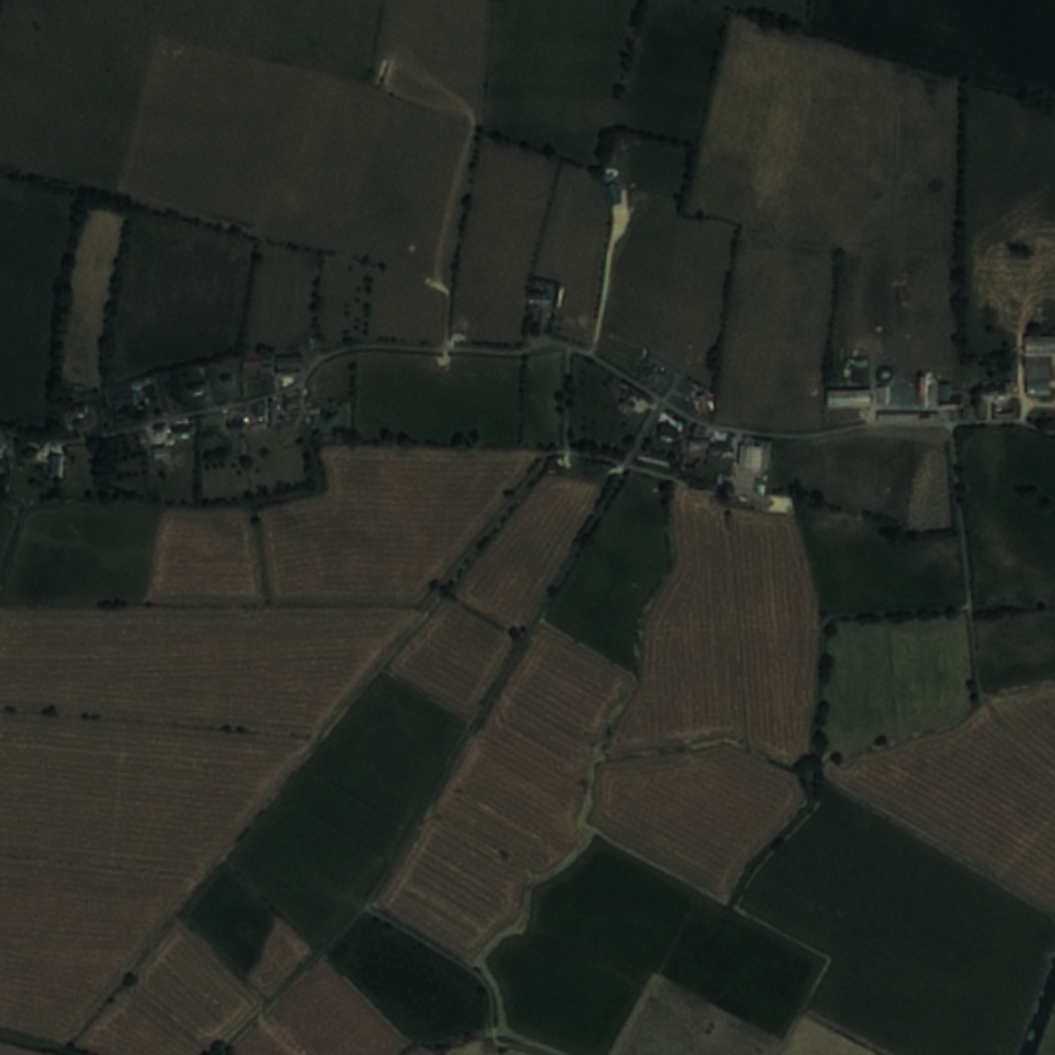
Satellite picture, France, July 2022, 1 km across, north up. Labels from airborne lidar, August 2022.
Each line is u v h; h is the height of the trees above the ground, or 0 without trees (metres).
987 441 0
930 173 0
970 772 0
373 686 0
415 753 0
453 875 0
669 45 0
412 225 0
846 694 0
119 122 0
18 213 0
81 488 0
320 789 0
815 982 0
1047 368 0
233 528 0
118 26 0
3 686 0
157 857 0
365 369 0
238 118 0
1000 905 0
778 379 0
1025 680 0
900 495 0
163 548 0
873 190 0
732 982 0
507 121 0
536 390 0
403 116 0
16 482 0
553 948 0
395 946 0
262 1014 0
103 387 6
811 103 0
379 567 0
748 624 0
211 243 0
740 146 0
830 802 0
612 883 0
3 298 0
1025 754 0
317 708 0
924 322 0
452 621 0
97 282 0
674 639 0
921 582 0
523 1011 0
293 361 0
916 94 0
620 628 0
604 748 0
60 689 0
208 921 0
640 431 0
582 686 0
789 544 0
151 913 0
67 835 0
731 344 0
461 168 0
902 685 0
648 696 0
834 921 0
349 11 0
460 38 0
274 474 0
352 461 0
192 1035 0
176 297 0
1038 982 0
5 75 0
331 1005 0
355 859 0
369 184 0
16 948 0
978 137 0
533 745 0
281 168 0
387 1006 0
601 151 11
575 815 0
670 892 0
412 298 0
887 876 0
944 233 0
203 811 0
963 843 0
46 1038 0
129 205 18
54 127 0
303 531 0
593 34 0
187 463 0
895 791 0
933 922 0
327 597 0
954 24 0
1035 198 0
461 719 0
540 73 0
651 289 0
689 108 0
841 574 0
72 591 0
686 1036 0
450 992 0
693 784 0
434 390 0
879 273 0
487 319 0
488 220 0
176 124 0
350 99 0
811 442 0
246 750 0
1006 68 0
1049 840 0
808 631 0
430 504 0
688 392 0
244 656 0
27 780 0
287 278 0
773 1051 0
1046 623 0
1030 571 0
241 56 0
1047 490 0
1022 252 13
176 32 0
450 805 0
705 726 0
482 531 0
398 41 0
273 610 0
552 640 0
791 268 0
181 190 0
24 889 0
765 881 0
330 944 0
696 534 0
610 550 0
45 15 0
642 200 0
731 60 0
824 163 0
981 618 8
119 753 0
